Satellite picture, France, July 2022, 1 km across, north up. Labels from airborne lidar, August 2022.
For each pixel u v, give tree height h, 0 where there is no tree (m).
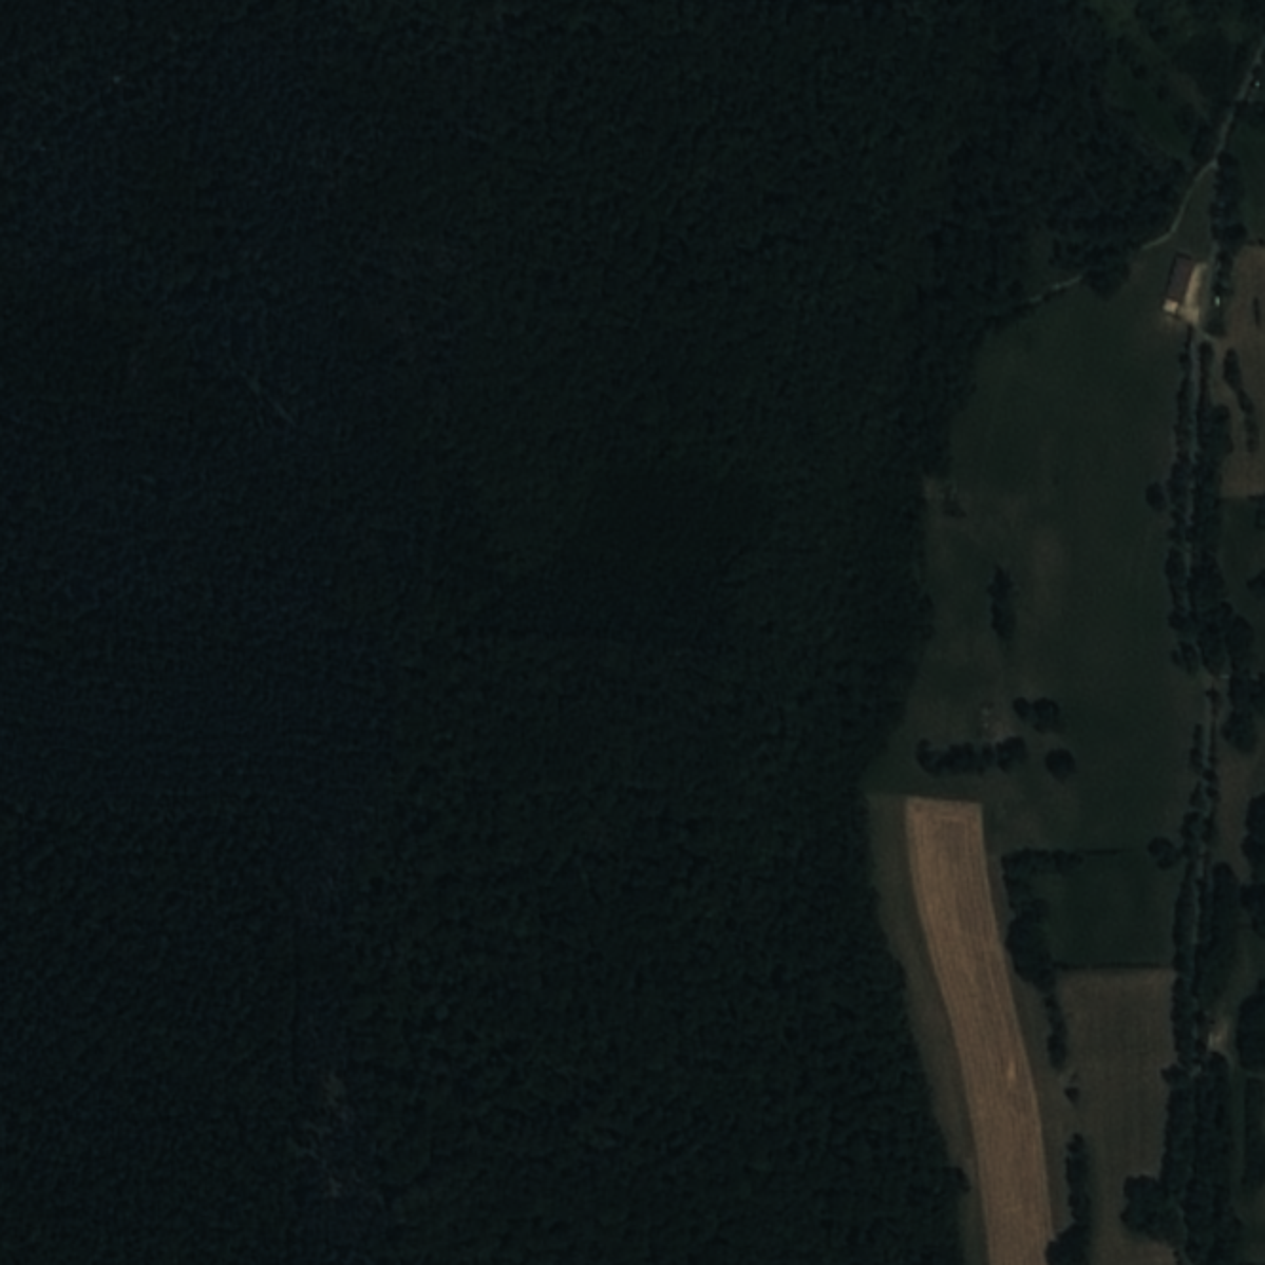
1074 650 0
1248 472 0
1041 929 18
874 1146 25
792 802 19
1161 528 0
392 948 21
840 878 21
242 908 15
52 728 27
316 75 14
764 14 18
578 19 20
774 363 17
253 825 15
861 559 19
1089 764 0
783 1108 19
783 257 22
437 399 16
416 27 19
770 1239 16
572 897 20
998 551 0
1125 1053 0
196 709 24
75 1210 22
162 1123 11
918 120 22
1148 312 0
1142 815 0
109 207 23
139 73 17
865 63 22
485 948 20
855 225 20
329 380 21
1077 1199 11
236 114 28
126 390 15
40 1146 17
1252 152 0
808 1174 25
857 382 19
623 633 10
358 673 20
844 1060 23
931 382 28
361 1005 25
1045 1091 0
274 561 26
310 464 19
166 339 24
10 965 17
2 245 21
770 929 22
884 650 17
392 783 6
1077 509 0
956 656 0
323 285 20
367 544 19
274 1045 16
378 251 18
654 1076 23
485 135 16
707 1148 21
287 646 22
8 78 20
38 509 23
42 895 16
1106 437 0
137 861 18
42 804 15
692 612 9
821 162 20
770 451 16
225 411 22
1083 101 27
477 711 24
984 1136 0
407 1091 25
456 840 18
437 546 19
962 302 25
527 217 13
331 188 14
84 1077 18
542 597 9
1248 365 0
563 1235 20
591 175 20
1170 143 0
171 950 22
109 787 20
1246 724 20
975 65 22
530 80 18
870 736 19
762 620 11
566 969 19
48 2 17
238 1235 14
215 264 24
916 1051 20
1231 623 18
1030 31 24
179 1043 15
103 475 20
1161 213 14
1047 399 0
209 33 16
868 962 21
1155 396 0
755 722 15
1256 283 0
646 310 20
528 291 16
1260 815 18
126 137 25
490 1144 18
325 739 20
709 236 18
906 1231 20
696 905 16
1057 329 0
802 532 11
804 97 20
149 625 19
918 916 0
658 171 20
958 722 0
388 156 13
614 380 20
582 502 10
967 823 0
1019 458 0
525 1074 19
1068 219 20
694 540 11
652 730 17
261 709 27
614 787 17
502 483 15
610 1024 20
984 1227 0
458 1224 23
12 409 19
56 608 21
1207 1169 18
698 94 19
